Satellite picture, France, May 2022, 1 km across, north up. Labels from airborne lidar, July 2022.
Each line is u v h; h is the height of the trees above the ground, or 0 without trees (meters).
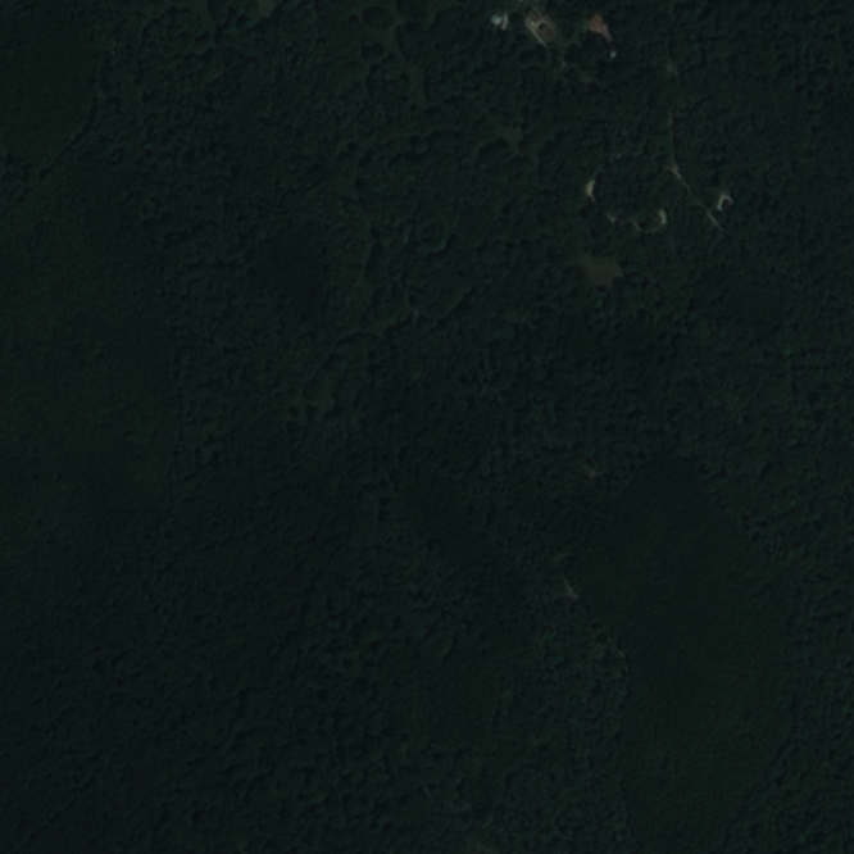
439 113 14
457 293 18
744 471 21
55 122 12
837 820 17
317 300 12
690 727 14
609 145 18
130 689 26
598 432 23
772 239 19
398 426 22
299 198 19
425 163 20
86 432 10
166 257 20
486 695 15
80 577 22
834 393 16
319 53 18
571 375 23
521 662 13
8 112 10
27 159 11
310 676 30
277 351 19
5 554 17
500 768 13
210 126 12
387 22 20
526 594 19
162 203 23
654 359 20
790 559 17
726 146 13
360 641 27
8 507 15
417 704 16
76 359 13
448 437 21
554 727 19
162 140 23
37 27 9
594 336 12
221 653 27
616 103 20
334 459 24
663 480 18
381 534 21
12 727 22
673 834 17
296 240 14
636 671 14
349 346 22
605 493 19
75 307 13
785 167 20
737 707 11
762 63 20
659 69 21
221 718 22
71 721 26
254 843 28
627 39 25
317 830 26
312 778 34
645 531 16
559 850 18
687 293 23
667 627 16
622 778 13
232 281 22
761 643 14
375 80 16
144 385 13
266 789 32
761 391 16
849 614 22
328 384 15
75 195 12
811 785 22
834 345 20
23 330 13
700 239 20
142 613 29
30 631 19
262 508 21
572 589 12
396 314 13
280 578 22
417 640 19
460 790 13
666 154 17
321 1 19
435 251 15
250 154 19
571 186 19
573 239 21
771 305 14
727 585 15
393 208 16
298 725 29
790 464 22
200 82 19
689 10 18
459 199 17
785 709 11
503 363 24
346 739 30
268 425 21
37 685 26
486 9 19
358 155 19
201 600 27
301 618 30
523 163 19
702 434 18
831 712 21
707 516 16
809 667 21
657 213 13
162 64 17
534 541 20
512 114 9
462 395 24
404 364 21
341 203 19
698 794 12
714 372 19
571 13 10
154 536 24
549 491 20
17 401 12
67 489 12
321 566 20
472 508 20
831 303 16
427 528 12
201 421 21
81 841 13
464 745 12
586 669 18
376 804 7
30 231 10
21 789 22
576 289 24
